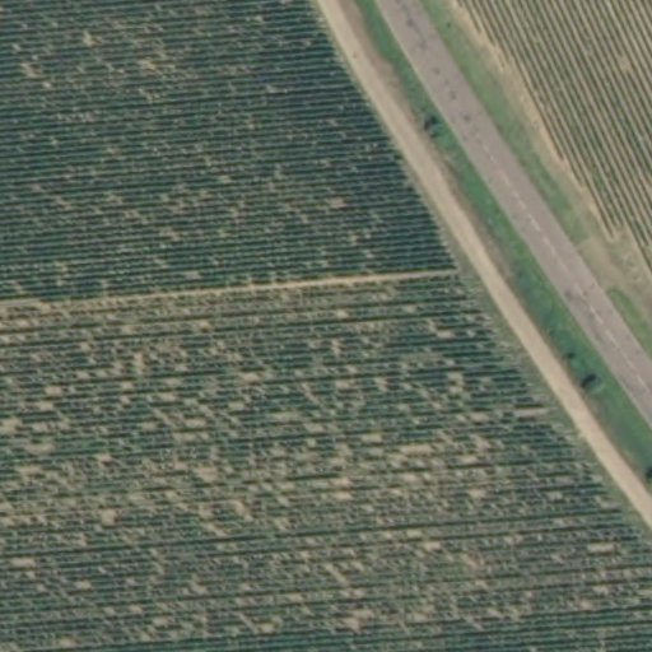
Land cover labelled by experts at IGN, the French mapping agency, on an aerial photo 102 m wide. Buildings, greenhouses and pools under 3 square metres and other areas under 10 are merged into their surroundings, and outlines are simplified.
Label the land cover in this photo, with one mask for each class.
<instances>
[{"label":"vineyard","instance_id":"1","mask_svg":"<svg viewBox=\"0 0 652 652\"><path fill-rule=\"evenodd\" d=\"M402 153L395 148L369 99L364 97L362 87L354 82L351 71L339 61L336 46L329 36V28L321 23V10L313 0H0V652H652V520L644 522L639 517L629 497L614 484L606 466L583 441L573 418L565 413L563 402L555 397L553 387L545 382L535 362L530 359L527 349L502 316L479 270L461 250L453 232L443 222H433V214L423 204L418 188L408 181V173L402 168ZM466 10L471 8L484 18L486 36L502 48L504 56L514 59L517 71L522 74L530 89V97L545 122V130L555 143L558 155L568 158L576 178L586 188H591L593 201L601 209L604 224L629 227L642 252L652 260V0H458Z\"/></svg>","mask_w":652,"mask_h":652},{"label":"herbaceous vegetation","instance_id":"2","mask_svg":"<svg viewBox=\"0 0 652 652\"><path fill-rule=\"evenodd\" d=\"M362 13L367 38L372 41L377 53L392 66L410 117L415 127L423 130L425 138L433 143L436 160L448 176V186L458 199L461 209L469 211L474 229L486 247L489 260L494 262L504 283L512 288V293L520 298L525 313L532 318L553 354L565 367L571 382L581 392L596 382L614 377L611 367L604 362L601 351L588 339V334L581 329L563 295L548 280L545 270L540 267L537 257L532 255L530 245L514 227V222L502 209L497 194L484 181L481 171L466 153L453 127L438 115L428 89L415 76L410 61L397 46L395 36L390 33L374 0H354ZM433 28L446 43L451 59L456 61L476 99L489 112L492 122L504 138L507 148L512 150V155L517 158V163L522 166V171L527 173V178L558 219L560 229L578 250L583 265L596 278L606 298L614 303V308L634 334L637 344L652 351V260L642 252L629 227L604 224L601 209L593 201L591 188H586L576 178L568 158L558 155L555 143L545 130V122L530 97V89L522 74L517 71L514 59L504 56L502 48L486 36L484 18L471 8L466 10L458 0H420ZM606 438L627 461V466L652 486V420L624 392L614 402L604 397H591L586 402Z\"/></svg>","mask_w":652,"mask_h":652},{"label":"impervious surface","instance_id":"3","mask_svg":"<svg viewBox=\"0 0 652 652\"><path fill-rule=\"evenodd\" d=\"M390 33L395 36L397 46L410 61L415 76L428 89L438 115L453 127L466 153L481 171L484 181L497 194L502 209L514 222V227L530 245L532 255L537 257L540 267L545 270L548 280L563 295L581 329L588 334V339L601 351L604 362L611 367L614 377L619 379L624 392L652 420V351L637 344L634 334L614 308V303L606 298L596 278L583 265L578 250L560 229L558 219L527 178V173L522 171V166L517 163V158L512 155V150L507 148L504 138L492 122L489 112L476 99L456 61L451 59L446 43L433 28L420 0H374Z\"/></svg>","mask_w":652,"mask_h":652},{"label":"pervious surface","instance_id":"4","mask_svg":"<svg viewBox=\"0 0 652 652\"><path fill-rule=\"evenodd\" d=\"M321 10V23L329 28V36L336 46L339 61L351 71L354 82L362 87L364 97L369 99L395 148L402 153V168L408 173V181L418 188L423 204L433 214V222H443L453 232L461 250L479 270L502 316L527 349L530 359L535 362L545 382L553 387L555 397L563 402L565 413L573 418L583 441L606 466L614 484L629 497L639 517L644 522L652 520V486L627 466V461L606 438L586 402L581 392L571 382L565 367L553 354L532 318L525 313L520 298L512 293V288L504 283L494 262L489 260L486 247L474 229L469 211L461 209L458 199L448 186V176L436 160L433 143L425 138L423 130L415 127L410 117L392 66L377 53L372 41L367 38L362 13L354 0H313Z\"/></svg>","mask_w":652,"mask_h":652},{"label":"brushwood","instance_id":"5","mask_svg":"<svg viewBox=\"0 0 652 652\"><path fill-rule=\"evenodd\" d=\"M624 392L619 379L614 377L596 382L581 392L586 402L591 397H604L614 402Z\"/></svg>","mask_w":652,"mask_h":652}]
</instances>
